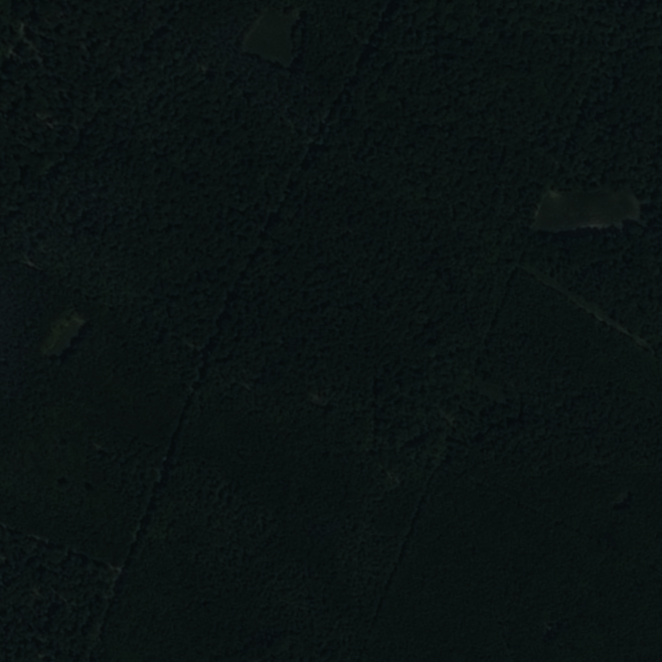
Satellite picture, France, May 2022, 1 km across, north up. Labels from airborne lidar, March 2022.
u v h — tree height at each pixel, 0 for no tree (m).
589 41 25
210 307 29
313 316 24
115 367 17
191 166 28
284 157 22
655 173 25
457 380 26
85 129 19
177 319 27
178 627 16
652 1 32
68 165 29
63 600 28
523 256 24
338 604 16
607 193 0
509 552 17
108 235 27
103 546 14
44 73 12
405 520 15
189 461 19
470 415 20
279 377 26
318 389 23
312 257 21
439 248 22
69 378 19
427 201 25
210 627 16
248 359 25
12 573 28
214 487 24
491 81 29
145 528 20
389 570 15
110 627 13
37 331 19
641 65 27
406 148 31
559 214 0
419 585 16
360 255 23
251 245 28
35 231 23
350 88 25
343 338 26
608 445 19
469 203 27
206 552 17
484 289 20
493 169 29
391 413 24
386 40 27
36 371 19
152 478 25
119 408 13
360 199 21
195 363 24
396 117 31
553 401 22
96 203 24
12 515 17
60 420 16
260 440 17
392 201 21
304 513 15
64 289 20
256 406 21
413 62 31
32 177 26
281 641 23
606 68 28
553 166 25
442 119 26
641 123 31
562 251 24
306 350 25
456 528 18
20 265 17
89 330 19
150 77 28
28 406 19
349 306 28
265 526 20
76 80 33
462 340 27
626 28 28
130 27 24
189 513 17
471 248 23
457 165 29
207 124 27
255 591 18
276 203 25
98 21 30
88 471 12
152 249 27
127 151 23
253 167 26
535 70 28
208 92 28
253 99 23
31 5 31
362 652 17
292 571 21
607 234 15
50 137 28
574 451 21
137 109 21
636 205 0
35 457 15
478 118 29
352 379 20
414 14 29
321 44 24
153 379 20
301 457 17
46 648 32
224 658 15
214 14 22
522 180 26
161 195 25
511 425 21
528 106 26
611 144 28
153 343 24
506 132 26
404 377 25
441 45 28
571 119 24
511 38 32
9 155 15
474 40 28
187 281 30
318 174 26
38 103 32
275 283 25
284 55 0
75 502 10
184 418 13
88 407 17
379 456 19
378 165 25
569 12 32
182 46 25
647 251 25
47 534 17
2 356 22
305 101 27
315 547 16
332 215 25
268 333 25
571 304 12
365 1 25
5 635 28
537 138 25
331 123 11
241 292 25
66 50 22
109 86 28
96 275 28
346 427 16
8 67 29
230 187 29
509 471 16
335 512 17
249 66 26
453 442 21
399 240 23
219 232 29
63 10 31
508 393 13
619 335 15
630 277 19
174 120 26
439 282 20
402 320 24
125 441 19
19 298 19
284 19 0
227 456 17
